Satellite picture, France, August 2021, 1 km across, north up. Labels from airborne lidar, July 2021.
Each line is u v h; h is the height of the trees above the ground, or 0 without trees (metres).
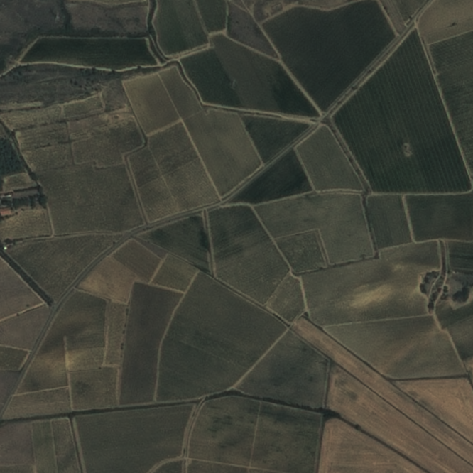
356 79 0
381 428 0
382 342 0
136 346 0
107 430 0
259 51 0
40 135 0
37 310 0
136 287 0
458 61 0
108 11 0
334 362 0
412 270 0
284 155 0
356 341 0
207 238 0
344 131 0
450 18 0
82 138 0
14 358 0
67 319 0
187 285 0
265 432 0
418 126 0
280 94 0
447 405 0
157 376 0
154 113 0
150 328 0
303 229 0
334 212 0
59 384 0
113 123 0
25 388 0
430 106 0
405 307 0
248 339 0
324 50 0
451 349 0
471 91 0
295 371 0
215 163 0
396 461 0
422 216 0
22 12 0
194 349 0
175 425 0
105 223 0
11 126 0
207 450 0
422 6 0
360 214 0
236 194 0
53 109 0
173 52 0
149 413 0
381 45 0
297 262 0
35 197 10
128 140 0
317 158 0
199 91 0
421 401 0
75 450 0
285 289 0
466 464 0
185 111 0
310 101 0
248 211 0
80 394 0
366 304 0
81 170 0
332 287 0
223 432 0
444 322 0
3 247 12
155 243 0
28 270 0
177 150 0
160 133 0
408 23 0
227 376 0
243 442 0
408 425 0
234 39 0
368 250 0
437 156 0
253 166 0
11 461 0
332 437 0
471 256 0
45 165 0
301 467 0
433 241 0
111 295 0
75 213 0
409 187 0
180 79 0
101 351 0
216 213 0
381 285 0
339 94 0
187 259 0
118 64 0
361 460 0
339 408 0
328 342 0
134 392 0
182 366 0
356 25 0
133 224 0
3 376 0
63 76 0
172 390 0
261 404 0
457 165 0
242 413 0
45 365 0
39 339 0
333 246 0
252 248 0
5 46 0
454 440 0
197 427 0
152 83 0
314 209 0
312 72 0
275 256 0
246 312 0
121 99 0
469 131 0
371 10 0
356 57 0
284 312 0
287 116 0
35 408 0
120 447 0
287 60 0
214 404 0
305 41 0
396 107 0
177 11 0
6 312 0
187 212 0
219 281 0
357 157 0
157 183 0
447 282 0
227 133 0
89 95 13
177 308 0
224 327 0
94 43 0
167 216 0
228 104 0
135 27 0
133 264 0
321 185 0
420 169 0
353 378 0
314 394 0
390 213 0
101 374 0
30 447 0
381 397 0
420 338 0
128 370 0
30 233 0
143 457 0
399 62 0
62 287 0
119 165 0
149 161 0
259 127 0
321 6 0
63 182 0
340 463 0
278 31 0
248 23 0
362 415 0
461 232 0
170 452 0
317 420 0
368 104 0
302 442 0
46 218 0
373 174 0
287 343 0
